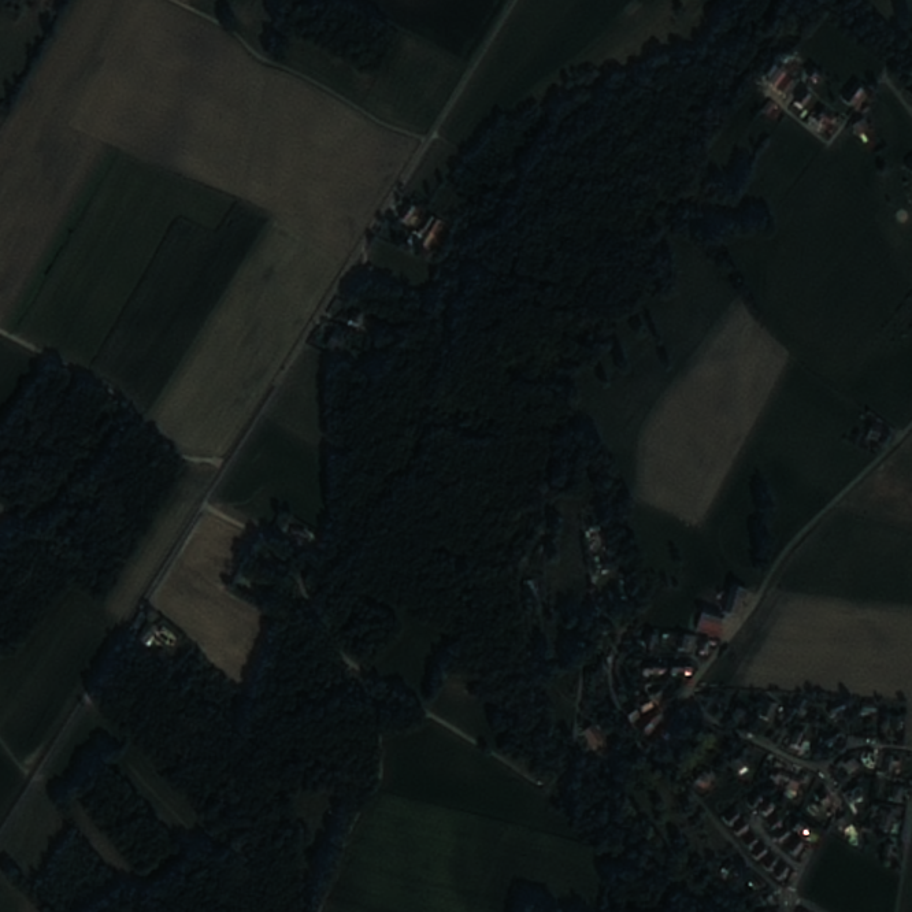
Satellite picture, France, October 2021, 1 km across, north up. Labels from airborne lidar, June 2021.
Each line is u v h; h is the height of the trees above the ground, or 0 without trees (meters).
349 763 12
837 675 0
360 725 22
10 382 0
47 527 18
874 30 19
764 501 16
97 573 15
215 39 0
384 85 0
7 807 0
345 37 22
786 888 0
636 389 0
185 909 23
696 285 0
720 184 19
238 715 10
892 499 0
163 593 0
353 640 12
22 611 22
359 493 23
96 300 0
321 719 26
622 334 0
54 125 0
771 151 0
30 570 22
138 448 18
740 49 32
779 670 0
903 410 0
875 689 0
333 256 0
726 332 0
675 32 0
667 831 0
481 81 0
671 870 21
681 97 21
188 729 20
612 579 0
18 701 0
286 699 25
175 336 0
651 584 15
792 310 0
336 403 18
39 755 0
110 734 0
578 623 18
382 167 0
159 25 0
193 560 0
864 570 0
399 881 0
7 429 13
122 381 0
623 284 26
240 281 0
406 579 24
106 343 0
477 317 27
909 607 0
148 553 0
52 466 19
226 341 0
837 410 0
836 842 0
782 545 0
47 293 0
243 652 0
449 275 19
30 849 0
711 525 0
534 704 23
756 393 0
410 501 26
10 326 0
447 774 0
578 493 15
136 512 23
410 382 26
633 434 0
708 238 20
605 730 15
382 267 0
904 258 0
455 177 11
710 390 0
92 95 0
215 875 24
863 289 0
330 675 19
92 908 21
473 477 22
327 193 0
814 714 7
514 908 0
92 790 23
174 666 10
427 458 25
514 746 18
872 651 0
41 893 10
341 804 16
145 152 0
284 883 23
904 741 11
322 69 0
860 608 0
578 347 25
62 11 10
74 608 0
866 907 0
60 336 0
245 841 26
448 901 0
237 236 0
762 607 0
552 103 11
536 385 25
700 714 13
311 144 0
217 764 25
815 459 0
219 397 0
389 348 20
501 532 23
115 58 0
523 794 0
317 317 0
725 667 0
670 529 0
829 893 0
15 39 0
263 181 0
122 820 21
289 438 0
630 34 0
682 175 21
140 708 22
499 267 23
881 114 0
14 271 0
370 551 25
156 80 0
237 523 0
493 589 26
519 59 0
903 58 12
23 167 0
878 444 7
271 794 21
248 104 0
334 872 17
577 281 22
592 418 0
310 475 0
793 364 0
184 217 0
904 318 0
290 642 20
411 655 0
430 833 0
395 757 0
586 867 0
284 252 0
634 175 20
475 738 0
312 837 11
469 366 26
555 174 25
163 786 0
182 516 0
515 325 27
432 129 0
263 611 18
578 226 22
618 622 17
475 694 13
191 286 0
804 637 0
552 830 0
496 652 23
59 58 0
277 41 15
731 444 0
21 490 18
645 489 0
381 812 0
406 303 19
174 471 15
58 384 18
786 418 0
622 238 21
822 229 0
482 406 21
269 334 0
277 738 25
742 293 14
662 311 0
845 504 0
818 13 20
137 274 0
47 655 0
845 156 0
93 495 18
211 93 0
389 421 24
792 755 0
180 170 0
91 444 11
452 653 19
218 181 0
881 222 0
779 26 18
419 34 0
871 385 0
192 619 0
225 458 0
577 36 0
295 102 0
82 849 7
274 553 18
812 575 0
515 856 0
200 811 20
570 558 0
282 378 0
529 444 25
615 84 21
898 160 0
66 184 0
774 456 0
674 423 0
